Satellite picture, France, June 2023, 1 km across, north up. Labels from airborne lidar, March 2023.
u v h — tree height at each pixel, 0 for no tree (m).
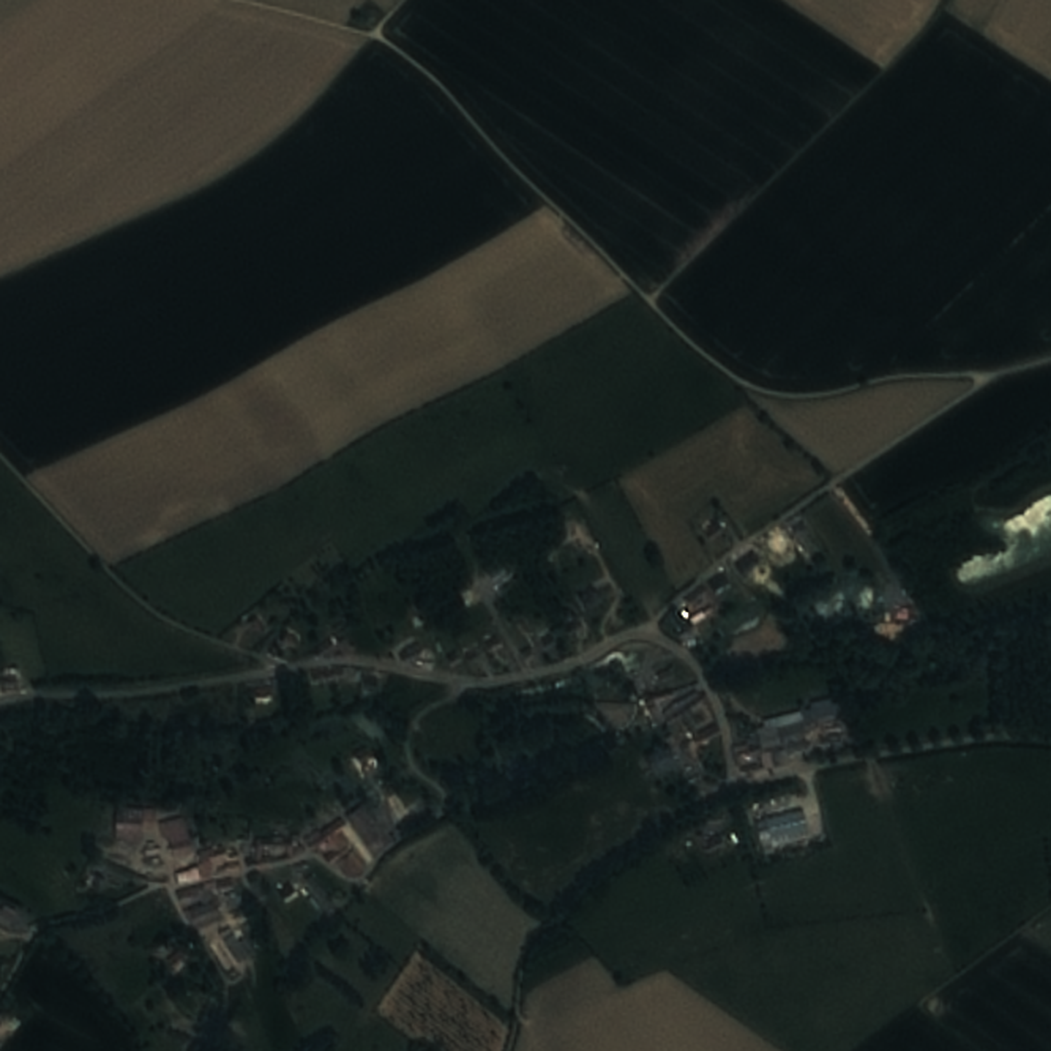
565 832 0
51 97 0
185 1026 0
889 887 0
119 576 7
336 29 0
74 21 0
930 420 0
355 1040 0
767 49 0
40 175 0
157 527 0
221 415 0
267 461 0
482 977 0
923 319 0
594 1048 0
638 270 0
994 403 0
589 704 11
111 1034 0
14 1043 0
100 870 0
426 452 0
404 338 0
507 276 0
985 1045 0
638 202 0
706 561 0
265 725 8
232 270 0
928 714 0
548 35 0
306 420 0
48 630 0
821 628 18
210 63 0
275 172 0
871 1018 0
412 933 0
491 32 0
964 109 0
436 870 0
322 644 0
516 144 0
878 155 0
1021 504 0
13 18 0
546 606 17
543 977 0
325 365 0
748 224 0
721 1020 0
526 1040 0
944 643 19
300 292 0
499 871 10
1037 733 19
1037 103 0
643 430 0
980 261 0
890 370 0
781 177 0
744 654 0
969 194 0
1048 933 0
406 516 0
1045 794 0
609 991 0
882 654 24
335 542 0
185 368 0
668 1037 0
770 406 0
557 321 0
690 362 0
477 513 0
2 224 0
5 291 0
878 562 0
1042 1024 0
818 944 0
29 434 0
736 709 0
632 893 0
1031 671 33
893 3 0
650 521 0
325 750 0
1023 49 0
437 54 0
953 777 0
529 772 33
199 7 0
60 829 0
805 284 0
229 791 19
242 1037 0
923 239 0
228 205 0
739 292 0
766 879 0
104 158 0
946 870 0
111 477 0
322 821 0
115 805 13
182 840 0
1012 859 0
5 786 7
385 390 0
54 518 0
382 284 0
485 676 0
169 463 0
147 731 17
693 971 0
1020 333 0
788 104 0
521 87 0
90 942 0
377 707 19
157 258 0
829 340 0
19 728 17
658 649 0
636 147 0
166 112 0
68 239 0
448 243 0
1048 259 0
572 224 0
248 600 0
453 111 0
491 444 0
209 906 0
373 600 0
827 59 0
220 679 0
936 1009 0
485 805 33
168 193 0
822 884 0
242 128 0
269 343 0
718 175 0
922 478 0
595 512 0
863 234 0
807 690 0
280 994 8
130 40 0
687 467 0
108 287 0
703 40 0
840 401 0
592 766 31
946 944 0
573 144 0
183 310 0
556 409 0
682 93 0
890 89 0
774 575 0
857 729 29
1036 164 0
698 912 0
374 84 0
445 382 0
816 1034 0
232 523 0
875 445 0
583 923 0
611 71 0
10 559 0
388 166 0
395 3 0
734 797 15
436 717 0
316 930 15
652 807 0
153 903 0
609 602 0
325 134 0
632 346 0
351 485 0
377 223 0
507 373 0
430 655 0
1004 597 0
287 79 0
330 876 0
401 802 0
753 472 0
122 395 0
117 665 0
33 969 0
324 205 0
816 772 0
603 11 0
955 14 0
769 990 0
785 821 0
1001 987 0
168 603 0
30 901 0
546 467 0
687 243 0
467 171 0
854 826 0
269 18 0
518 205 0
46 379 0
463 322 0
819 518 0
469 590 0
